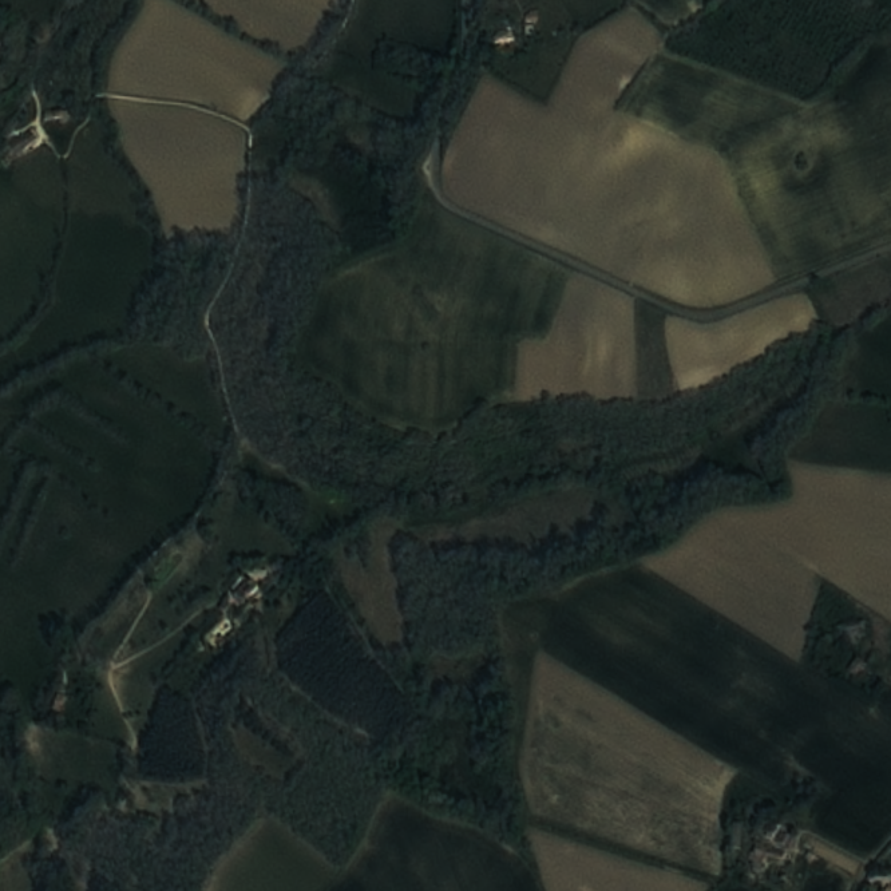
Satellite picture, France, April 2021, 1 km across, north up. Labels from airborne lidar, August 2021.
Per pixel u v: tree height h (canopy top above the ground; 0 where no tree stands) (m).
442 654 21
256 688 14
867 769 0
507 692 12
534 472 12
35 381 17
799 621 0
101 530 0
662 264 0
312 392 21
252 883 0
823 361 23
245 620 9
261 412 11
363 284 0
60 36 17
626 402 11
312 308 14
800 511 0
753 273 0
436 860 0
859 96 0
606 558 13
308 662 18
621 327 0
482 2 15
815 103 0
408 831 0
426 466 10
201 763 13
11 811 31
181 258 28
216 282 21
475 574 17
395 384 0
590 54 0
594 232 0
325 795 19
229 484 12
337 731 16
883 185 0
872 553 0
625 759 0
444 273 0
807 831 0
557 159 0
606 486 18
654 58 0
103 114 16
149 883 27
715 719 0
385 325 0
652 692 0
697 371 0
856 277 0
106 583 0
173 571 0
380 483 23
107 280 0
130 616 0
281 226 12
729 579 0
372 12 0
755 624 0
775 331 0
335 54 7
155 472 0
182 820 11
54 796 0
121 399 0
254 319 8
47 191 0
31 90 9
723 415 19
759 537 0
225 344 13
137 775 21
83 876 24
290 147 9
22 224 0
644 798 0
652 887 0
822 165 0
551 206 0
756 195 0
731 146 0
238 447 16
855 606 0
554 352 0
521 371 0
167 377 0
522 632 0
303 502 24
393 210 21
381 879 0
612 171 0
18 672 0
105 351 18
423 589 20
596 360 0
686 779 0
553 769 0
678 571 0
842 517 0
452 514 11
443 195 0
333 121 13
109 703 0
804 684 0
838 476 0
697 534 0
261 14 0
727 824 16
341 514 0
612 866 0
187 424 12
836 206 0
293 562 13
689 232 0
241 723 9
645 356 0
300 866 0
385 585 0
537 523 0
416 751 25
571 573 17
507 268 0
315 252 22
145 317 25
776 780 0
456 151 0
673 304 0
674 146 0
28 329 19
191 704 9
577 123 0
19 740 23
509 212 0
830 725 0
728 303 0
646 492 18
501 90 0
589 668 0
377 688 15
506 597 16
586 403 16
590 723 0
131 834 22
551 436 11
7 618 0
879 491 0
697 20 11
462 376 0
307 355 0
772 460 25
